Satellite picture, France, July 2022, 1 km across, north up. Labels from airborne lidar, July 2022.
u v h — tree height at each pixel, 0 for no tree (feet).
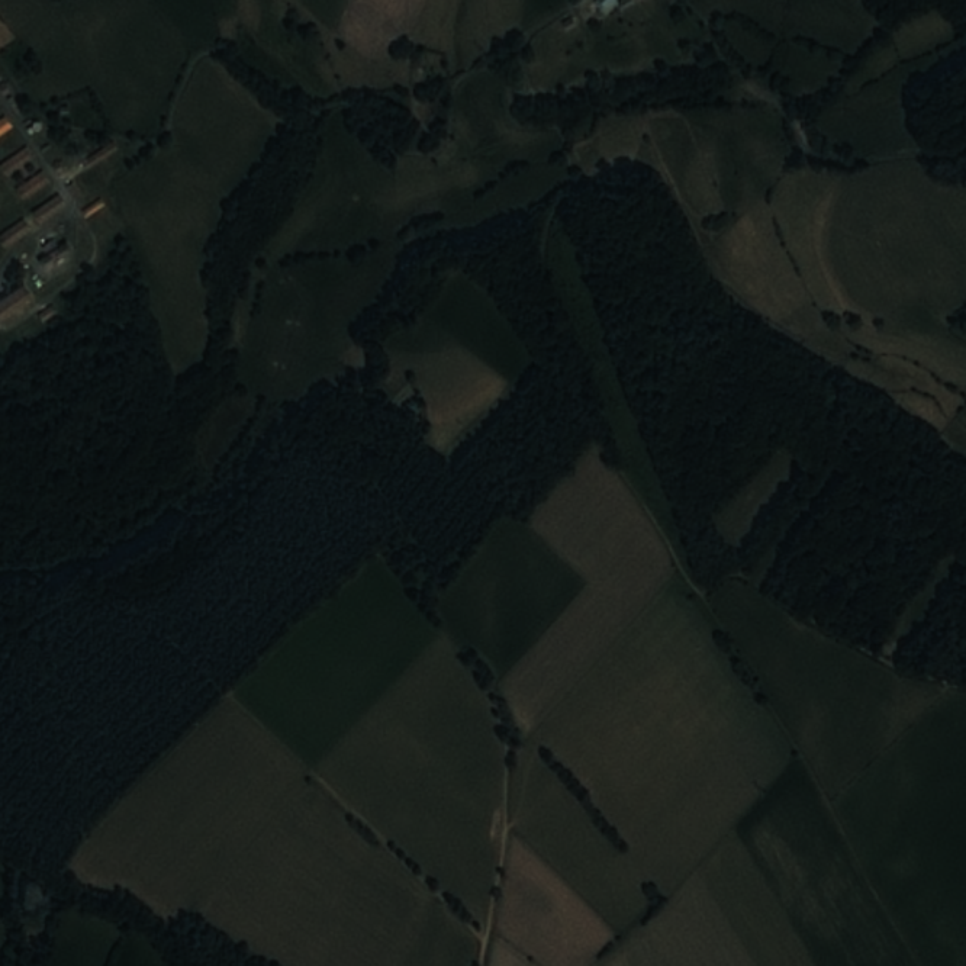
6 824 61
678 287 72
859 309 0
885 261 0
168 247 0
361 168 0
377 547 38
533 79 0
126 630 72
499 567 0
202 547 72
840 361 0
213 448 0
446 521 55
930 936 0
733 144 0
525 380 45
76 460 62
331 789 0
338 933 0
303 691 0
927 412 0
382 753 0
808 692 0
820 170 52
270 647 49
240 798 0
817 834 0
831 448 100
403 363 0
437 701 0
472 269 79
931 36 0
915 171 0
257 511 82
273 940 0
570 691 0
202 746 0
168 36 0
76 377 68
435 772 0
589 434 61
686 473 78
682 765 0
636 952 0
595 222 74
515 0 0
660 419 86
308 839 0
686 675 0
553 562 0
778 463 0
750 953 0
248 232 67
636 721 0
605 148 0
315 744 0
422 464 56
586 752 0
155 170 0
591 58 0
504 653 0
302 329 0
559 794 0
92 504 48
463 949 0
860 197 0
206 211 0
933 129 95
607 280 73
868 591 98
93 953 0
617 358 49
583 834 0
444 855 0
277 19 0
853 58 31
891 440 84
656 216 84
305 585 74
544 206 29
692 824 0
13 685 59
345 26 0
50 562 70
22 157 0
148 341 75
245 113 0
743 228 0
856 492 94
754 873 0
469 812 0
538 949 0
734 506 0
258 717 0
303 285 0
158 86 0
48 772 51
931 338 0
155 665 69
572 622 0
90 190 0
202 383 73
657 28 0
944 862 0
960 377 0
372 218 0
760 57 0
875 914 0
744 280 0
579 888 0
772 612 0
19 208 0
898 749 0
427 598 51
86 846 0
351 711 0
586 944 0
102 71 0
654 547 0
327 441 72
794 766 0
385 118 49
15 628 55
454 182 0
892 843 0
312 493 70
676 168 0
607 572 0
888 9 72
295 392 0
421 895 0
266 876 0
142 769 65
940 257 0
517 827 0
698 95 25
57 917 22
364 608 0
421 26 0
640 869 0
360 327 48
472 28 0
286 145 71
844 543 98
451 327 0
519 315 63
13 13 0
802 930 0
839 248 0
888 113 0
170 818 0
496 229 68
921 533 106
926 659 94
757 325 82
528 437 65
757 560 45
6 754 58
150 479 52
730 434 84
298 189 45
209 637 77
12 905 73
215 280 65
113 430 67
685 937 0
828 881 0
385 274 0
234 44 48
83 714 74
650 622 0
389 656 0
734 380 74
